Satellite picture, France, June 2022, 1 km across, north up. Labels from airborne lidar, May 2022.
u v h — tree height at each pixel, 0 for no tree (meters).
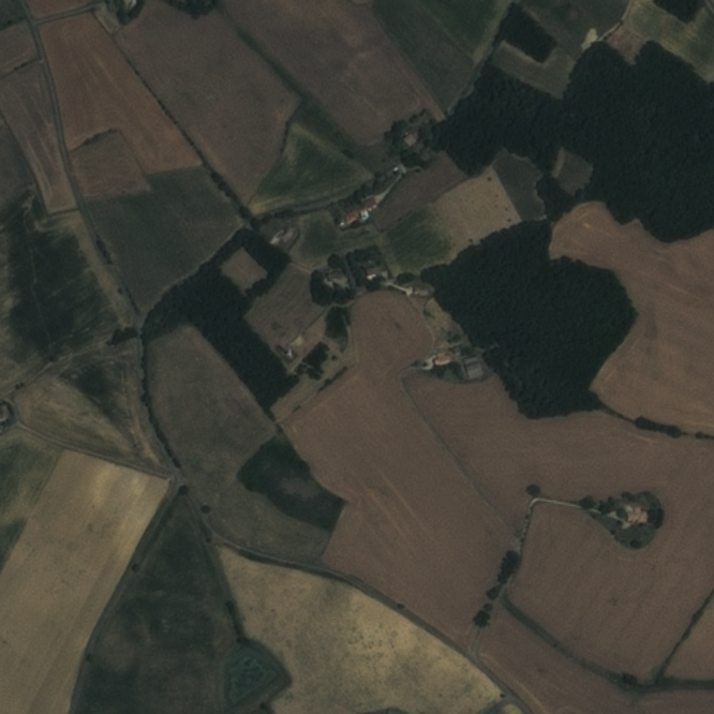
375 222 0
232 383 0
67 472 0
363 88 0
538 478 0
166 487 0
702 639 0
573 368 9
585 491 0
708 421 0
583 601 0
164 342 0
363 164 0
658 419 0
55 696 0
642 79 17
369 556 0
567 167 0
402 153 9
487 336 15
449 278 15
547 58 12
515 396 13
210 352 0
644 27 0
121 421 0
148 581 0
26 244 0
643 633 0
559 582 0
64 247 0
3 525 0
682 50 0
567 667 0
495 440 0
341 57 0
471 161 17
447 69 0
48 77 0
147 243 0
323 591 0
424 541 0
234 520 0
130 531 0
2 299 0
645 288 0
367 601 0
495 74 9
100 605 0
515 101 13
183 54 0
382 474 0
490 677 0
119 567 0
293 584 0
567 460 0
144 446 0
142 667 0
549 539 0
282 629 0
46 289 0
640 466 0
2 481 0
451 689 0
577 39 0
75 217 0
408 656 0
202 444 0
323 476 0
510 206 0
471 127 13
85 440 0
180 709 0
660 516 12
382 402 0
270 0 0
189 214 0
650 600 0
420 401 0
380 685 0
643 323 0
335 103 0
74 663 0
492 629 0
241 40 0
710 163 14
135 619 0
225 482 0
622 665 0
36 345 0
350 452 0
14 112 0
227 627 0
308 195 0
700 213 17
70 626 0
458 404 0
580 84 15
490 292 18
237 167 0
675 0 20
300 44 0
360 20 0
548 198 8
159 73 0
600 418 0
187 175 0
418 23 0
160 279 0
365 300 0
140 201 0
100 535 0
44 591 0
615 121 12
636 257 0
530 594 0
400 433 0
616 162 14
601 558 0
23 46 0
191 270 0
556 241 0
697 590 0
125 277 0
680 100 21
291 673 0
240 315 8
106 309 0
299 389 0
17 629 0
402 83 0
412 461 0
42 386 0
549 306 17
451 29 0
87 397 0
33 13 0
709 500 0
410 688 0
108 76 0
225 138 0
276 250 15
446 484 0
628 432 0
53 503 0
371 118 0
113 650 0
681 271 0
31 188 0
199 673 0
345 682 0
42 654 0
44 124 0
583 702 0
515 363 18
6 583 0
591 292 19
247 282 0
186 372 0
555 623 0
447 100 0
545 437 0
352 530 0
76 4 0
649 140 13
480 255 8
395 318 0
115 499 0
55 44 0
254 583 0
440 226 0
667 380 0
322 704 0
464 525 0
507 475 0
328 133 0
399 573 0
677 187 16
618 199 17
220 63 0
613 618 0
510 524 0
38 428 0
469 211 0
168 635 0
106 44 0
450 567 0
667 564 0
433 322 0
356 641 0
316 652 0
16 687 0
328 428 0
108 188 0
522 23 13
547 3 0
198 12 29
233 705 0
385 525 0
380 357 0
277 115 0
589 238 0
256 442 0
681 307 0
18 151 0
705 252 0
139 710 0
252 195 0
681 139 18
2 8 0
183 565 0
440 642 0
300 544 0
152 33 0
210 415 0
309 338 0
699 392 0
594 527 0
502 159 0
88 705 0
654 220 17
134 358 0
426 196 0
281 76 0
